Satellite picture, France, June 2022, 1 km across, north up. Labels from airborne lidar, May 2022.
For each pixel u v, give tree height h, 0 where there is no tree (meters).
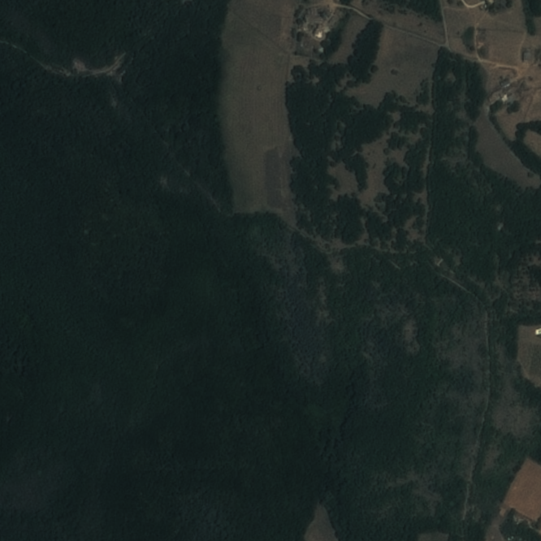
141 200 15
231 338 10
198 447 11
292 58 0
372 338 6
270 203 0
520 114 0
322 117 11
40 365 14
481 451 9
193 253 14
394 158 0
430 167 9
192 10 11
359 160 14
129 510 10
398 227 11
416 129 11
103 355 14
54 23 8
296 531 16
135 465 12
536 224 11
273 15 0
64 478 5
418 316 6
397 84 0
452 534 8
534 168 13
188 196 11
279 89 0
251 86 0
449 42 0
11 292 17
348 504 13
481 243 11
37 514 12
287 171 0
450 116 9
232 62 0
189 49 15
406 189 12
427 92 9
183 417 10
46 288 12
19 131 18
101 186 22
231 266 17
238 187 0
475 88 10
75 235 15
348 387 17
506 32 0
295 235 7
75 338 14
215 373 8
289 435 15
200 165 20
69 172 15
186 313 14
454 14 0
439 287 15
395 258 10
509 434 7
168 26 11
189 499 16
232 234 13
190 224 11
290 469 13
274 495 14
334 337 11
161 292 12
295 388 12
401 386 10
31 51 7
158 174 7
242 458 10
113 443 9
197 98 28
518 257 13
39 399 10
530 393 7
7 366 16
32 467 7
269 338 14
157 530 16
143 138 7
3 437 19
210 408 14
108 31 11
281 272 9
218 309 9
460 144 7
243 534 13
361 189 9
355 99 14
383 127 12
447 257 10
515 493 0
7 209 13
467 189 10
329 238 7
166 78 20
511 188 10
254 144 0
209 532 16
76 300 12
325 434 15
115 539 7
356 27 0
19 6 13
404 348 8
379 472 7
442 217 12
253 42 0
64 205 18
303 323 12
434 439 6
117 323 12
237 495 12
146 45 11
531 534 10
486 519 8
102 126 14
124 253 18
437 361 8
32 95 13
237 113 0
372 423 16
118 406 8
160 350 9
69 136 19
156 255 14
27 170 14
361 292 9
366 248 9
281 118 0
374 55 15
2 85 10
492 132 0
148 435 10
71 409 8
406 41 0
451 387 8
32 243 13
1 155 16
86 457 9
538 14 9
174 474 18
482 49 0
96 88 12
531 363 0
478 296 12
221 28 9
